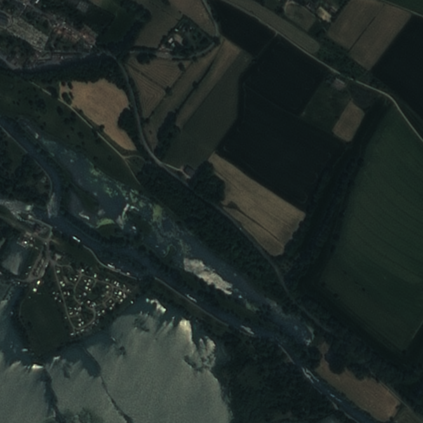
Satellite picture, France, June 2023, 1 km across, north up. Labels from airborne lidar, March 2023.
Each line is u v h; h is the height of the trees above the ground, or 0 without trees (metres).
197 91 0
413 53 0
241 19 0
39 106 20
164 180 18
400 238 0
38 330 0
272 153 0
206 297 19
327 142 0
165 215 0
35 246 0
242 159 0
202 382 0
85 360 0
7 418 0
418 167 0
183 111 0
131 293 0
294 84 0
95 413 0
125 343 0
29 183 0
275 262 9
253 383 0
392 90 0
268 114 0
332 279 0
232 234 18
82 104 0
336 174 0
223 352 0
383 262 0
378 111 0
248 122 0
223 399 0
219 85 0
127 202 0
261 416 7
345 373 0
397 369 15
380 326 0
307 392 15
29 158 19
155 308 0
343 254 0
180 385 0
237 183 0
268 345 12
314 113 0
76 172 0
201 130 0
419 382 0
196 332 0
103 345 0
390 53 0
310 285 0
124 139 0
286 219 0
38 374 0
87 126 0
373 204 0
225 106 0
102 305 0
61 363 0
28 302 0
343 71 12
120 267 0
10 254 0
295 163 0
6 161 5
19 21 0
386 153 0
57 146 0
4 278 10
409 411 0
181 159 0
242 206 0
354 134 0
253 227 0
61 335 0
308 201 0
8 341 0
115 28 0
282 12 12
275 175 0
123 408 0
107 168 0
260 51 0
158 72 0
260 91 0
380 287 0
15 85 0
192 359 0
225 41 0
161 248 0
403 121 0
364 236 0
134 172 0
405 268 0
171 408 0
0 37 11
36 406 0
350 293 0
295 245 21
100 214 0
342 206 0
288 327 0
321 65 0
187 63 0
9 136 0
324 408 11
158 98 0
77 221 23
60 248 0
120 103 0
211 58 0
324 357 0
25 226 0
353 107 0
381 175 0
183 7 0
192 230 16
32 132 0
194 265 0
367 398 0
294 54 0
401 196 0
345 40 0
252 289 0
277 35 0
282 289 21
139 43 0
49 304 0
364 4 0
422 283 0
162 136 17
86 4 0
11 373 0
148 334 0
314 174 0
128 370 0
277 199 0
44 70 21
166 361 0
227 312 10
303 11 0
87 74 21
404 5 0
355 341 12
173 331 0
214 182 13
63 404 0
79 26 12
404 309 0
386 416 0
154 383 0
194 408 0
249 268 11
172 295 0
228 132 0
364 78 0
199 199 19
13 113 0
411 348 0
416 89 0
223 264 0
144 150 18
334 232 0
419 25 0
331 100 0
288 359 14
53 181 0
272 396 8
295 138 0
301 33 0
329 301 0
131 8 22
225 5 0
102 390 0
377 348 0
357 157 0
